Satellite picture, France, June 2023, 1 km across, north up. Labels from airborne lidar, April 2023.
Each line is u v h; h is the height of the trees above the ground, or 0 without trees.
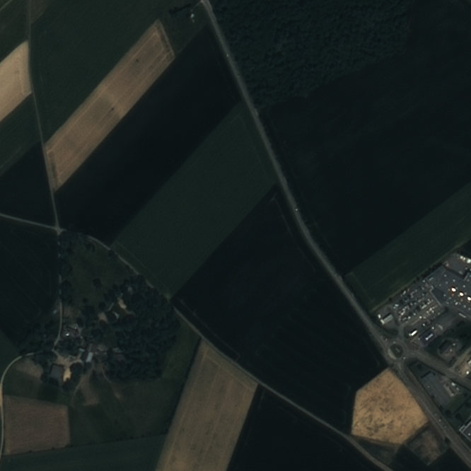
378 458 0
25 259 0
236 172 0
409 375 0
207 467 0
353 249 0
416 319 0
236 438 0
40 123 0
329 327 0
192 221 0
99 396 0
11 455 0
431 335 0
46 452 0
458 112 0
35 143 0
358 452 0
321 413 0
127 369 21
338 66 15
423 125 0
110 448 0
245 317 0
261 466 0
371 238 0
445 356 0
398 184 0
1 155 0
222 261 0
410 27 0
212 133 0
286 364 0
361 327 0
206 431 0
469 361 0
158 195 0
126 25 0
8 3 0
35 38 0
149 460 0
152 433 0
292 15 17
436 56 0
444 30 0
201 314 0
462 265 0
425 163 0
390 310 0
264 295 0
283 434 0
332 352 0
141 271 0
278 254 0
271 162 0
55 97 0
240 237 0
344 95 0
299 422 0
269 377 0
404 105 0
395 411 0
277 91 19
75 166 0
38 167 0
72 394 0
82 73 0
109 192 0
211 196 0
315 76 20
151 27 0
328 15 23
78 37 0
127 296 19
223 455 0
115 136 0
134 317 17
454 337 0
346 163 0
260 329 0
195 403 0
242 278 0
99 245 0
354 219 0
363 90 0
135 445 0
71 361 0
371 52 18
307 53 18
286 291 0
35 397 0
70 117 0
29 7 0
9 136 0
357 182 0
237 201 0
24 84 0
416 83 0
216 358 0
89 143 0
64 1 0
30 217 0
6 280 0
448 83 0
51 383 12
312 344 0
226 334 0
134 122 0
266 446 0
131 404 0
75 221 0
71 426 0
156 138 0
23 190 0
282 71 23
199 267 0
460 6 0
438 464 0
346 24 18
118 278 0
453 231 0
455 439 0
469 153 0
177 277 0
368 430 0
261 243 0
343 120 0
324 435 0
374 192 0
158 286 0
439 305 0
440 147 0
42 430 0
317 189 0
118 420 0
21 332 0
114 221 0
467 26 0
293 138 0
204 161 0
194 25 0
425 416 0
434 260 0
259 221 0
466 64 0
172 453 0
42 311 0
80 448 0
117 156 0
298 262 0
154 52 0
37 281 0
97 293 0
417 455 0
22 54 0
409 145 0
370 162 0
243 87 0
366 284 0
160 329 25
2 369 0
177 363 0
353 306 0
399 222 0
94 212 0
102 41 0
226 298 0
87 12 0
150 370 17
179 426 0
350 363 0
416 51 0
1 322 0
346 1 16
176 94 0
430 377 0
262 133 0
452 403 0
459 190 0
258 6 11
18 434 0
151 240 0
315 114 0
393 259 0
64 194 0
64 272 19
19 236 0
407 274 0
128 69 0
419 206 0
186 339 0
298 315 0
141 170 0
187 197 0
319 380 0
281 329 0
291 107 0
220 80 0
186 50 0
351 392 0
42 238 0
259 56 19
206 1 0
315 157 0
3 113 0
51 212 0
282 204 0
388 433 0
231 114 0
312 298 0
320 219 0
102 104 0
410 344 0
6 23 0
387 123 0
